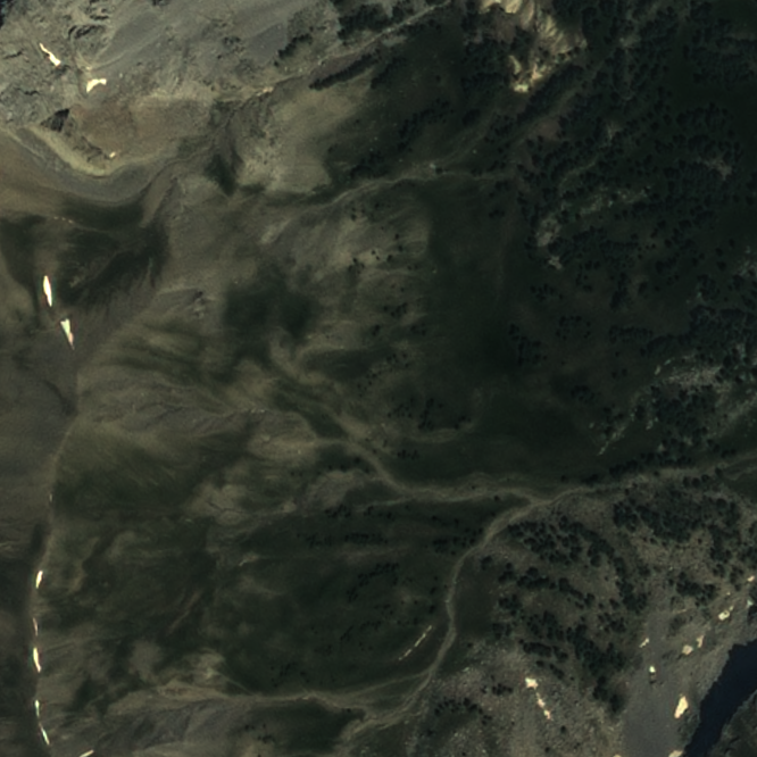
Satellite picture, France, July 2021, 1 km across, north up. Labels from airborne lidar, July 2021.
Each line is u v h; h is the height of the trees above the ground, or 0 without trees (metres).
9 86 0
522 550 0
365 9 10
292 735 0
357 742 0
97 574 0
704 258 16
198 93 0
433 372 0
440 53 0
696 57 17
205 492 0
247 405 0
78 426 0
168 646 0
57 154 0
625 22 10
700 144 23
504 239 0
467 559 0
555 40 0
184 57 0
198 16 0
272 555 0
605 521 0
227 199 0
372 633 0
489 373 0
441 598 0
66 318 0
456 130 0
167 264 0
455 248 0
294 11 0
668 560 0
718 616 0
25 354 0
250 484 0
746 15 0
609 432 14
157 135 0
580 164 10
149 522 0
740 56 13
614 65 13
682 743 0
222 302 0
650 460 15
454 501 0
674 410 16
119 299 0
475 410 0
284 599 0
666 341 15
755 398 0
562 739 0
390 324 0
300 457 0
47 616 0
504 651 0
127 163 0
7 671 0
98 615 0
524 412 0
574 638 11
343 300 0
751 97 0
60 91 0
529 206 17
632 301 9
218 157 0
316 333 0
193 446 0
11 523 0
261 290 0
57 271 0
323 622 0
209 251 0
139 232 0
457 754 0
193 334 0
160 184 0
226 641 0
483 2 0
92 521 0
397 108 0
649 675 0
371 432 0
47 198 0
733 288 11
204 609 0
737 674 0
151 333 0
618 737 0
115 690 0
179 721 0
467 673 0
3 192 0
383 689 0
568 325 12
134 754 0
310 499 0
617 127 0
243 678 0
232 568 0
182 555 0
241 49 0
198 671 0
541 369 0
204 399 0
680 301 0
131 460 0
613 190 0
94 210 0
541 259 15
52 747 0
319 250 0
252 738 0
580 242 16
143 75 0
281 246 0
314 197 0
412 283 0
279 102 0
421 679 0
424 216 0
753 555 12
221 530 0
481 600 0
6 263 0
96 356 0
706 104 0
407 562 0
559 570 0
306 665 0
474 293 0
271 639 0
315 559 0
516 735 0
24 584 0
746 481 0
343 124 0
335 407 0
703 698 0
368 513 6
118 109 0
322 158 0
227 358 0
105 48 0
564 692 0
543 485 0
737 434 0
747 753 0
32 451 0
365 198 0
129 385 0
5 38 0
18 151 0
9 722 0
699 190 21
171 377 0
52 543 0
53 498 0
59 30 0
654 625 0
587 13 16
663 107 16
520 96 0
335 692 0
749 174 0
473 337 0
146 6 0
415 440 0
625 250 14
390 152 0
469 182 0
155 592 0
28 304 0
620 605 7
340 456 0
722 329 17
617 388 0
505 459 0
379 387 0
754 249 0
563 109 0
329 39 0
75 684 0
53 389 0
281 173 0
